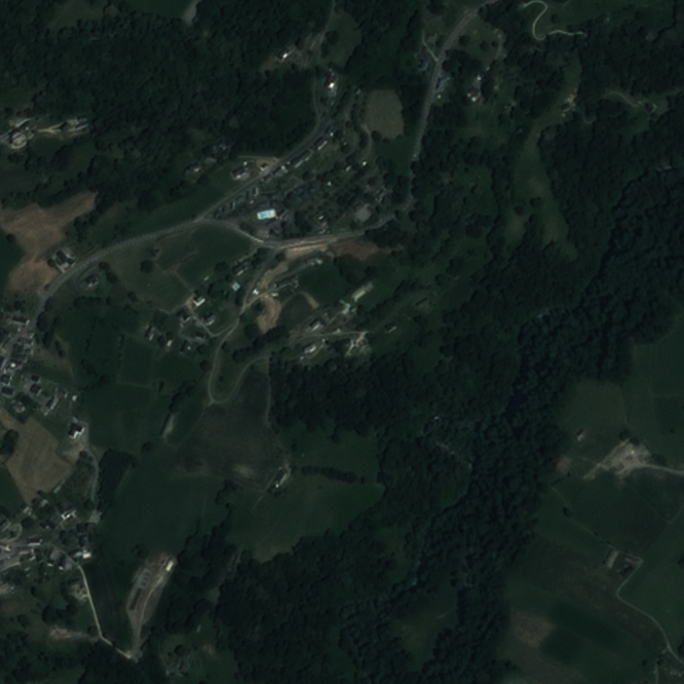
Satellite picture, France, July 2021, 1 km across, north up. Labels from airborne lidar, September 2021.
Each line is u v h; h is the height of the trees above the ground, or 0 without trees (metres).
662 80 19
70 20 0
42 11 21
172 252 0
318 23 14
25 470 0
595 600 0
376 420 26
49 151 0
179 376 0
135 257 0
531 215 0
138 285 0
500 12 20
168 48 18
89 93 18
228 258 0
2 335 8
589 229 26
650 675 0
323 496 0
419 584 11
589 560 0
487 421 10
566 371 24
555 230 0
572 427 0
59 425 0
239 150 9
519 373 13
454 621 0
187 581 20
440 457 21
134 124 21
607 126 19
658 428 0
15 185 0
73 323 0
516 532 12
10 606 0
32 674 21
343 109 11
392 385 24
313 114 6
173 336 10
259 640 23
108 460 12
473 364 26
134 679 12
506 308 13
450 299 0
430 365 0
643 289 23
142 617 0
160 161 22
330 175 11
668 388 0
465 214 21
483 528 32
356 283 18
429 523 12
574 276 19
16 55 23
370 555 16
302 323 0
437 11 16
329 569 17
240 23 20
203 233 0
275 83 17
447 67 18
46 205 10
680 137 25
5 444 7
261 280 0
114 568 0
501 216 6
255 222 0
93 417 0
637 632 0
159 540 0
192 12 0
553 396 15
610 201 12
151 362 0
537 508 19
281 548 0
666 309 30
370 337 9
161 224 0
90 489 0
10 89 14
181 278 0
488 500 19
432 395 24
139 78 20
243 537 0
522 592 0
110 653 15
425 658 0
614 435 0
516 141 9
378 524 13
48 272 0
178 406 11
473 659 13
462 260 15
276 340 18
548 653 0
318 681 32
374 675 11
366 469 0
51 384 0
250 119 17
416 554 9
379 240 20
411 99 18
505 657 0
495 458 23
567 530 0
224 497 15
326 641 8
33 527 10
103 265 11
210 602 15
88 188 17
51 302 14
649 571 0
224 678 0
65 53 16
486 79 10
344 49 0
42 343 12
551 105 25
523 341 22
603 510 0
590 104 12
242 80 24
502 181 22
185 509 0
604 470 0
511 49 16
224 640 15
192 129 21
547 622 0
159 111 23
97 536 13
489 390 29
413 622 0
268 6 23
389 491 12
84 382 0
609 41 29
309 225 6
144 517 0
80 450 0
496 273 19
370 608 23
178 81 11
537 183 0
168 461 0
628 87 16
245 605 19
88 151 0
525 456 23
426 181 21
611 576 0
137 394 0
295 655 29
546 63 17
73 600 9
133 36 17
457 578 20
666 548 0
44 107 14
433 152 25
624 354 36
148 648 11
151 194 25
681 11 21
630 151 26
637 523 0
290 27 23
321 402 21
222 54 21
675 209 26
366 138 10
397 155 0
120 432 0
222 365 0
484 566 27
